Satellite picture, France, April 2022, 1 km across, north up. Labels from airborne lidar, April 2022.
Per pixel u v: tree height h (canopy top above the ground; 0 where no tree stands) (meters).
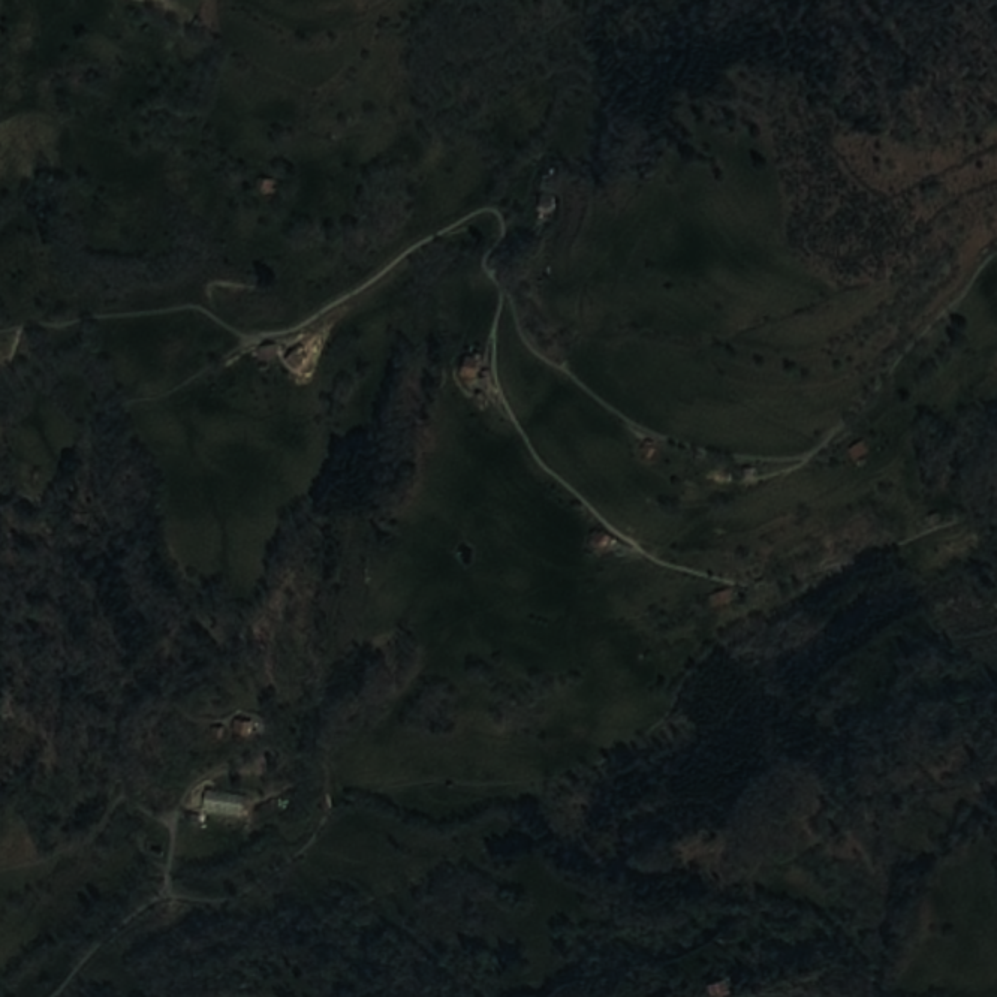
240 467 0
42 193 24
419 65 22
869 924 13
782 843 26
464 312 0
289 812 7
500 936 0
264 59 0
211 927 22
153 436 0
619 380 0
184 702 18
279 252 0
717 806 11
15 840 0
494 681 13
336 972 20
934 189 11
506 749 0
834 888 19
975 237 0
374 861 0
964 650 0
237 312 0
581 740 0
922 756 6
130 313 0
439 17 21
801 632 27
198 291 0
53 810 20
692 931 15
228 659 19
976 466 17
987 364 0
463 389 0
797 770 28
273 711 21
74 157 0
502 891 12
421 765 0
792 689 26
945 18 27
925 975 0
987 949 0
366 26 0
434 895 13
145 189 0
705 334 0
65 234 21
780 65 18
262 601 16
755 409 0
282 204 16
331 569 11
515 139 0
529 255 14
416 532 0
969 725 22
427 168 0
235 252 0
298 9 0
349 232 20
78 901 7
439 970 13
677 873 22
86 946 26
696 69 24
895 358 11
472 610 0
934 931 6
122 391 14
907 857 12
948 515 0
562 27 10
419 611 0
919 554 0
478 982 11
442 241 12
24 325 0
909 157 0
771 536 0
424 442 23
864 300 0
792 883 0
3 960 0
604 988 23
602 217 0
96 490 22
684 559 0
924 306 7
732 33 22
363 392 0
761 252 0
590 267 0
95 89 16
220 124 0
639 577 0
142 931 8
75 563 31
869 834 13
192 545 0
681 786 17
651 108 23
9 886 0
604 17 26
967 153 10
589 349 0
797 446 0
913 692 19
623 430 0
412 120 0
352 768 0
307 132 0
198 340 0
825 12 9
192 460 0
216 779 0
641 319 0
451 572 0
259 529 0
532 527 0
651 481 0
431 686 19
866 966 17
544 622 6
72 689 33
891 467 0
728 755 18
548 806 8
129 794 18
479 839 0
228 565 0
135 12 13
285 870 13
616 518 0
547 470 0
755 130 13
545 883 0
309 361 0
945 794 11
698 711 19
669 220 0
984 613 0
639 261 0
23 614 30
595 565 0
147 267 19
